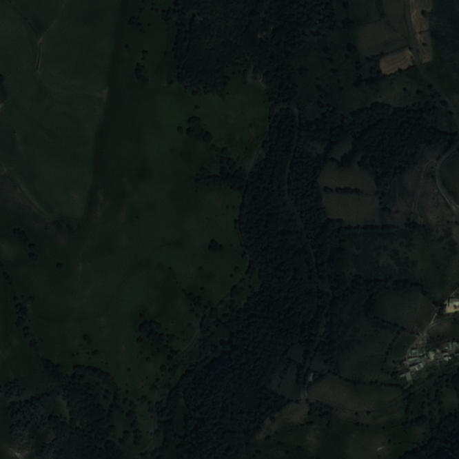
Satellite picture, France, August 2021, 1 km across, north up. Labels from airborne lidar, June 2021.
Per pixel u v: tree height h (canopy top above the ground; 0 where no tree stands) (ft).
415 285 58
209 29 54
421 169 0
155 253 0
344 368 0
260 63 41
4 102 0
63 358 0
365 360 0
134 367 0
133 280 0
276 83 58
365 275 0
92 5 0
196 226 0
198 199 0
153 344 38
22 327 36
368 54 0
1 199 0
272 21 50
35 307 0
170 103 0
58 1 0
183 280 0
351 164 41
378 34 0
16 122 0
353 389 0
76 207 0
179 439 41
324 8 34
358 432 0
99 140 0
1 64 0
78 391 77
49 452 44
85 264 0
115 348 0
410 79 0
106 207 0
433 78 0
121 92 0
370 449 0
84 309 0
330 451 0
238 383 55
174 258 0
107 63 0
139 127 0
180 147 0
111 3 0
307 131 69
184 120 0
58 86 0
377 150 69
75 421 63
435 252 0
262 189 80
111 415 56
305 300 81
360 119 94
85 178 0
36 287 0
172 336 42
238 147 0
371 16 0
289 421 0
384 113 83
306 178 23
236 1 59
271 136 56
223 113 0
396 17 0
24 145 0
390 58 0
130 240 0
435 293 0
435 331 0
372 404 0
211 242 33
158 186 0
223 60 40
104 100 0
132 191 0
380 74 40
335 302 40
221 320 45
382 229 30
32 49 0
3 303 0
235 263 0
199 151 0
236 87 0
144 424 0
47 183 0
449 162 0
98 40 0
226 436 44
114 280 0
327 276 29
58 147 0
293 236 44
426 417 37
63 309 0
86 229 0
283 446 36
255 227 89
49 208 0
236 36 58
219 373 84
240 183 48
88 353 22
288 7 66
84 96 0
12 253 0
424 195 0
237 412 37
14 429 32
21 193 0
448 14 0
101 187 0
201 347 41
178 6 85
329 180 0
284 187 48
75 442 57
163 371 53
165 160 0
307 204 29
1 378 0
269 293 92
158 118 0
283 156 69
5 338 0
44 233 0
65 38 0
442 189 0
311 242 42
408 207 0
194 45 43
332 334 50
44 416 30
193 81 60
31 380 0
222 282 0
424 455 67
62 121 0
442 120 0
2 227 0
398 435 0
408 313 0
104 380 72
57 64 0
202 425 89
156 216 0
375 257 0
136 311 0
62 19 0
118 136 0
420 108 24
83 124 0
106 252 0
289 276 66
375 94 0
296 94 45
